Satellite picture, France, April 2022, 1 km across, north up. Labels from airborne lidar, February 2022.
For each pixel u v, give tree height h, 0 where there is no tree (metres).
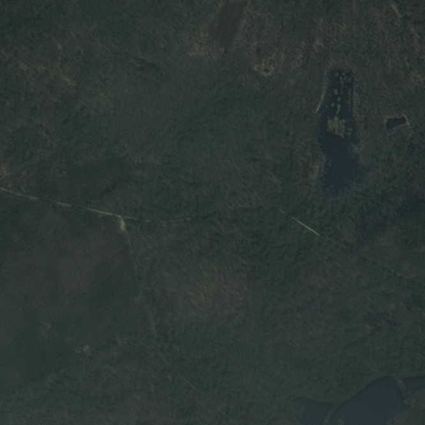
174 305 27
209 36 0
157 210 29
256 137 31
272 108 23
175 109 17
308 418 0
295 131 22
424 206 24
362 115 15
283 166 14
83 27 23
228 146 24
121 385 25
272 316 23
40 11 28
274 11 15
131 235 28
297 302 28
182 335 21
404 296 24
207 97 23
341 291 17
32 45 27
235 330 23
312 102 13
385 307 28
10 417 24
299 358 23
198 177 29
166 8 21
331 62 14
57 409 23
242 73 17
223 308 21
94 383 22
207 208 26
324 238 21
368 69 17
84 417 28
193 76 12
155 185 29
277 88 15
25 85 17
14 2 24
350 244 15
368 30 10
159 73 18
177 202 29
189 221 24
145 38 19
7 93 27
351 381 23
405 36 16
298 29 13
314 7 19
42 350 10
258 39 0
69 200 12
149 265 26
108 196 26
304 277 29
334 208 20
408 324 25
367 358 25
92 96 27
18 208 10
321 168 0
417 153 24
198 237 25
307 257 25
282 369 27
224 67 14
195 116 23
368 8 15
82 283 11
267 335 25
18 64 23
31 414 27
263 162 25
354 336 27
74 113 29
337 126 0
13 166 25
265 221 25
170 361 25
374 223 18
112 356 26
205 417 25
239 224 29
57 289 8
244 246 30
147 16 25
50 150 20
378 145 21
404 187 17
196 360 21
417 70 14
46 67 28
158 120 17
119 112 18
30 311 10
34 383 21
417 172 20
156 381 24
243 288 29
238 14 0
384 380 0
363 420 0
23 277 10
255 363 15
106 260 8
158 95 19
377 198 17
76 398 28
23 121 25
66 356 9
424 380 0
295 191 19
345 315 25
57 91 25
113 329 10
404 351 20
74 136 23
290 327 20
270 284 24
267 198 28
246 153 25
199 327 26
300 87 11
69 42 27
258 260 27
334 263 25
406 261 15
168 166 26
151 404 26
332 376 24
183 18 25
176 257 30
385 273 24
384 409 0
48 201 8
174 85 16
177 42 19
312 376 22
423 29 18
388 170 20
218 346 27
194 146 28
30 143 24
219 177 28
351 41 13
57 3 24
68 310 9
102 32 20
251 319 25
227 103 22
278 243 25
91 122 27
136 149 18
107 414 27
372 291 27
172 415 8
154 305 21
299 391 26
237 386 22
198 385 29
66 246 10
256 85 20
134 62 23
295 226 28
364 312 28
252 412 26
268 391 14
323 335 28
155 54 21
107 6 10
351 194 18
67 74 25
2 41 17
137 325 9
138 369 23
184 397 25
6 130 29
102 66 21
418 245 21
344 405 0
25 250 11
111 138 24
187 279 29
